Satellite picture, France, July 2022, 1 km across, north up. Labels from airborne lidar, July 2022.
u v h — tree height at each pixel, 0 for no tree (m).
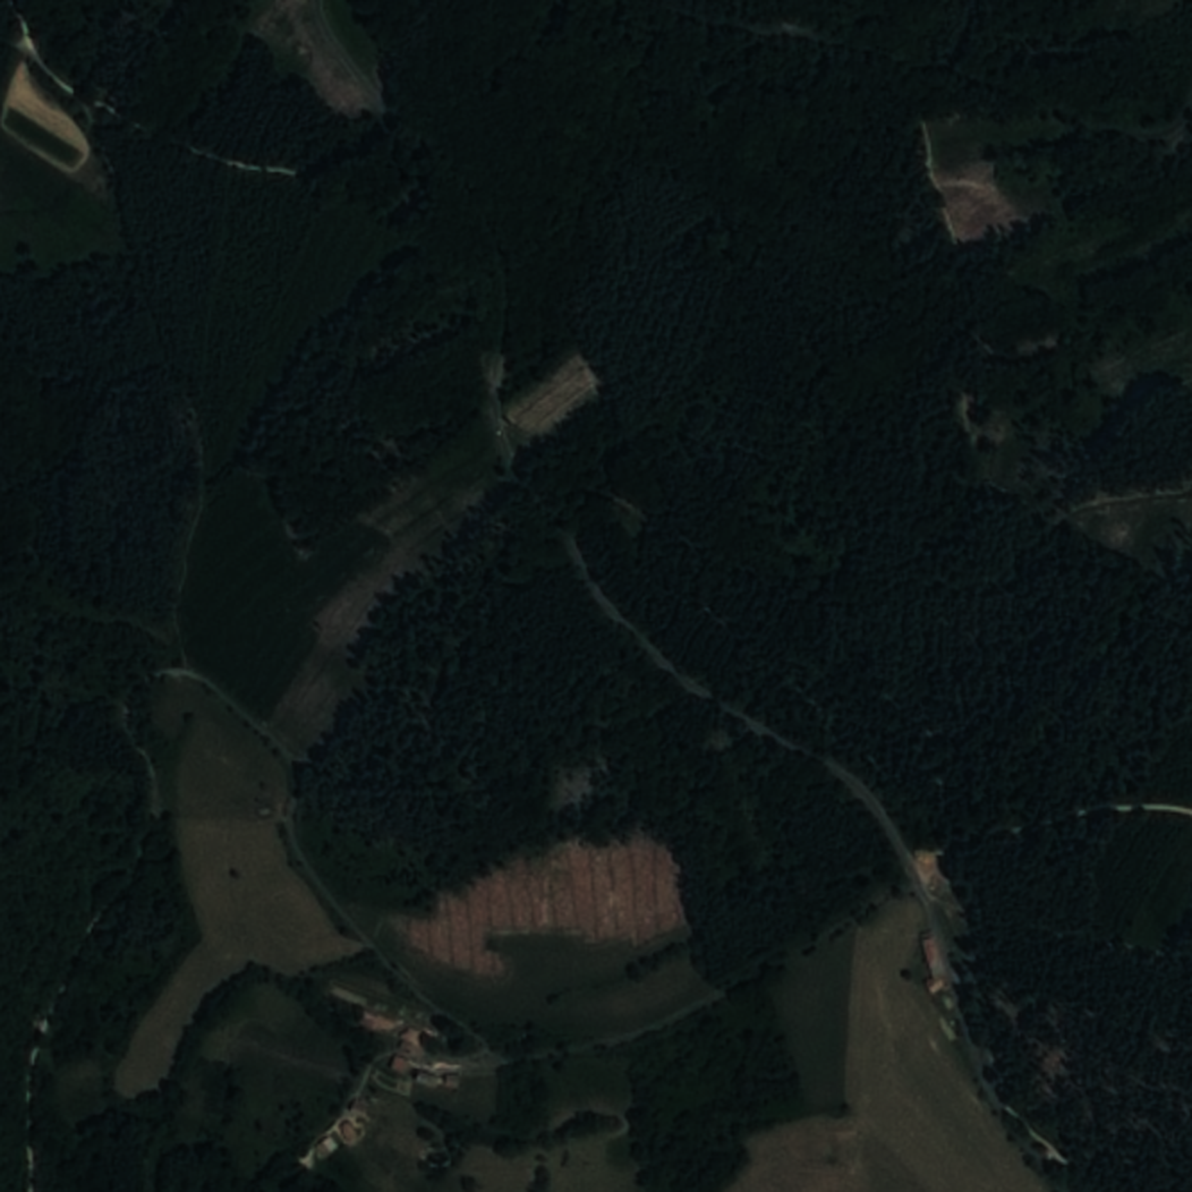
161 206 14
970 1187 0
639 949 0
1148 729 22
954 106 23
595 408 8
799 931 23
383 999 0
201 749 0
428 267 27
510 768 17
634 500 21
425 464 27
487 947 0
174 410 22
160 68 27
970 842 13
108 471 25
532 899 0
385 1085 0
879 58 21
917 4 25
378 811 23
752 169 25
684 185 19
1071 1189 12
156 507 33
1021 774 23
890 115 21
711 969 24
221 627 0
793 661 8
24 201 0
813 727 16
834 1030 0
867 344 28
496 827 17
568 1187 0
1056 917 16
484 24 33
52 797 9
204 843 0
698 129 17
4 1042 7
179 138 20
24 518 18
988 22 25
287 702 0
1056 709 22
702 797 16
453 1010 6
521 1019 0
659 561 18
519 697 21
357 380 25
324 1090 0
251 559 0
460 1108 0
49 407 26
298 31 0
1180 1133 25
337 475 22
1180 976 10
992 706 17
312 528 28
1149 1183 25
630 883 0
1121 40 19
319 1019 17
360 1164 0
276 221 8
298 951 0
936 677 24
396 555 0
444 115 28
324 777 17
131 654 6
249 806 0
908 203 26
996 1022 16
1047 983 19
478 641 18
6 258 0
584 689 15
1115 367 0
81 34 11
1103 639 24
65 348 17
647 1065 8
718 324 19
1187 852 0
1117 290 22
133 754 20
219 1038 0
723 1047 8
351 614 0
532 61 32
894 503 23
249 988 15
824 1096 0
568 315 28
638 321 26
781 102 27
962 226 0
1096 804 23
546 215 26
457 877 14
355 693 0
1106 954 13
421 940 0
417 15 30
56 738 18
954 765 24
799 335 20
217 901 0
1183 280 20
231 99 21
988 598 23
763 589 22
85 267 13
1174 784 7
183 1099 17
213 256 12
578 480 21
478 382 25
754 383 16
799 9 22
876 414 19
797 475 14
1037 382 20
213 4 23
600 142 27
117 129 16
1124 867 6
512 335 15
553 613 20
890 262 17
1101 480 27
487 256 23
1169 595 23
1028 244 23
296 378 19
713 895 24
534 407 0
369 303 26
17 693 14
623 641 16
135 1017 9
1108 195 24
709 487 19
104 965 6
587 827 14
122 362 23
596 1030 0
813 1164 0
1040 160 21
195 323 12
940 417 25
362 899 0
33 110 0
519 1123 5
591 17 27
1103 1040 20
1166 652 24
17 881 10
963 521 19
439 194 26
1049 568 29
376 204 27
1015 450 0
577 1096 0
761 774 13
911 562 28
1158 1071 23
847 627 23
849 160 21
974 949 25
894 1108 0
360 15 0
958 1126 0
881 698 14
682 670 13
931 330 19
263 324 7
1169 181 18
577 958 0
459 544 27
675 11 13
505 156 29
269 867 0
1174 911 0
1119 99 23
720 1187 7
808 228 20
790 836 15
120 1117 16
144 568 36
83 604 10
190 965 0
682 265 21
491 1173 0
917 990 0
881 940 0
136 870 13
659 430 14
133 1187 21
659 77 21
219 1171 24
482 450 0
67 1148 12
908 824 8
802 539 11
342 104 0
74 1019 16
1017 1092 22
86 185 0
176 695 0
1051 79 29
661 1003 0
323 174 25
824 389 18
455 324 15
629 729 24
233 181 6
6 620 14
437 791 20
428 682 20
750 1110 14
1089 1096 16
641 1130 21
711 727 12
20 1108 14
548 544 22
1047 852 12
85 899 10
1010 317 29
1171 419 37
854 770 12
